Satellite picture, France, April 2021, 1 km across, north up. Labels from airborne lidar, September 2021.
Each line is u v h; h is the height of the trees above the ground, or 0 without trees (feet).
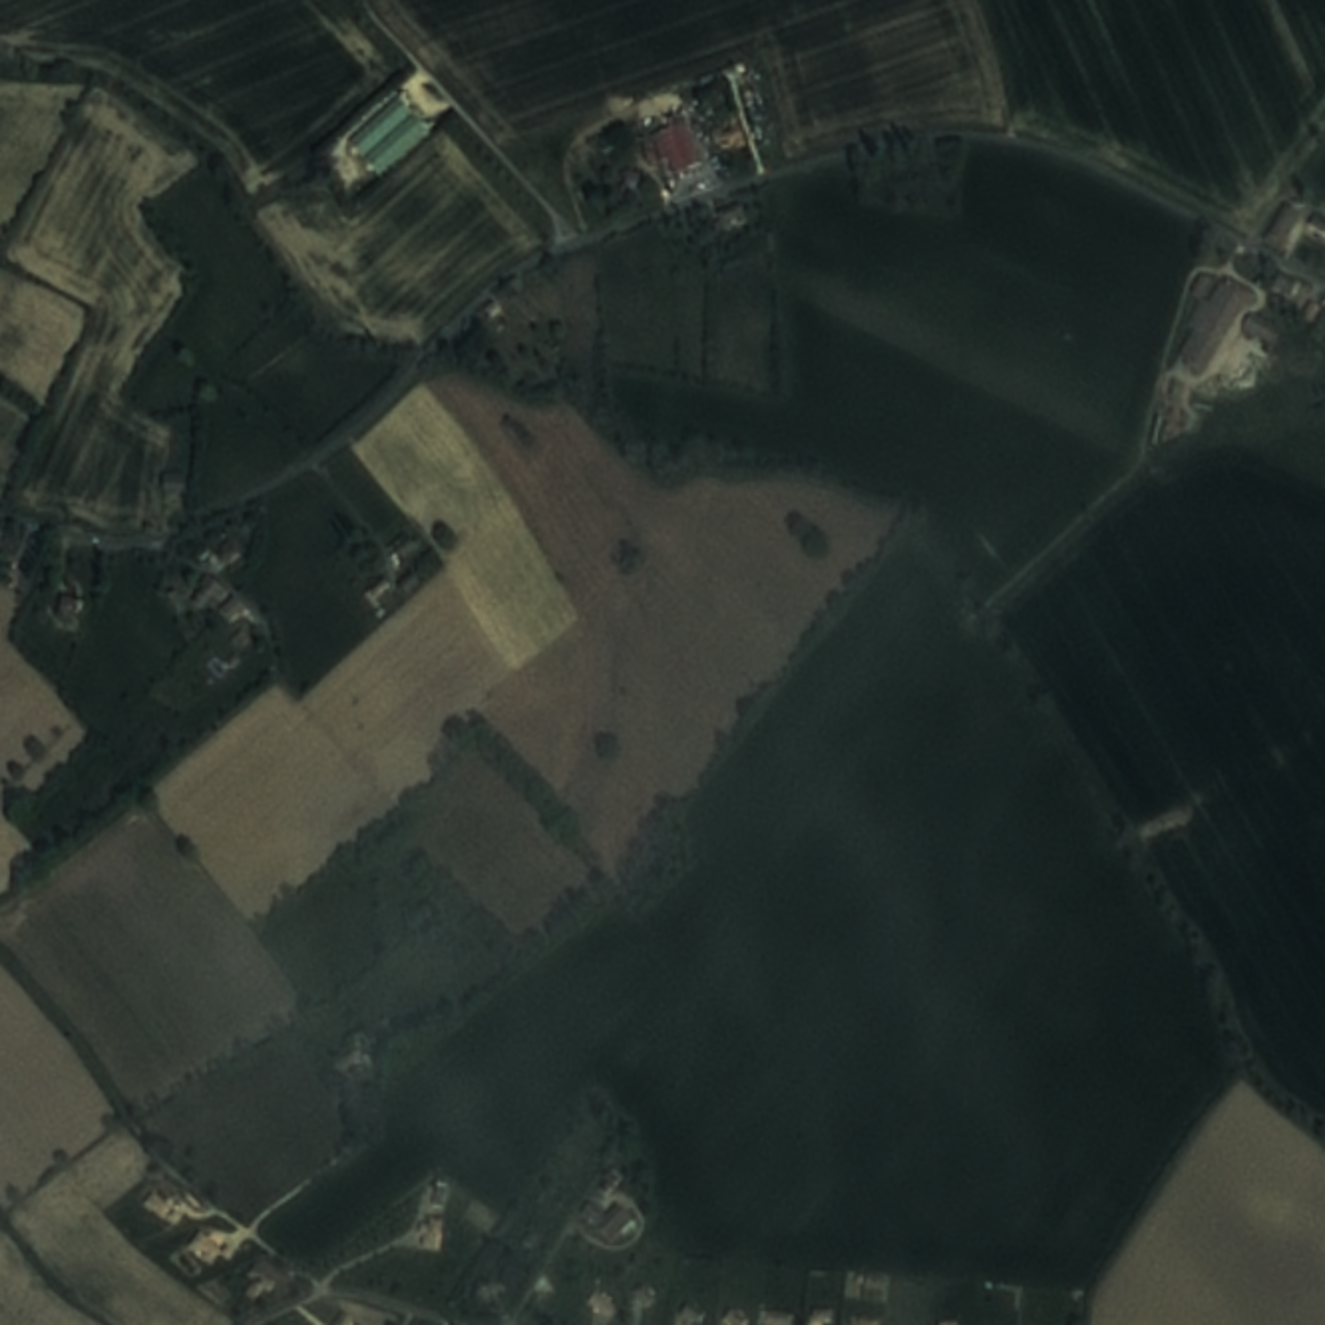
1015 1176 0
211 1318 0
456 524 0
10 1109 0
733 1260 0
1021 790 0
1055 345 0
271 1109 0
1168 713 0
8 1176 0
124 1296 0
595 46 0
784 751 0
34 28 0
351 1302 0
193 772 0
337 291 0
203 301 0
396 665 0
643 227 19
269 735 0
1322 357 0
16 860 0
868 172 52
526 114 0
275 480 0
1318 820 0
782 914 0
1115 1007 0
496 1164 0
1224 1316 0
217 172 49
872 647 0
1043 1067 0
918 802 0
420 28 0
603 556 0
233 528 27
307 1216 0
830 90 0
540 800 68
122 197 0
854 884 0
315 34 0
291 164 0
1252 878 0
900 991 0
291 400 0
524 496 0
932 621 0
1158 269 0
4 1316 0
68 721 0
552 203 0
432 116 0
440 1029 55
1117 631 0
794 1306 0
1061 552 0
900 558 0
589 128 0
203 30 0
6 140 0
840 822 0
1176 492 0
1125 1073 0
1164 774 0
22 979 0
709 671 0
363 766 0
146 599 0
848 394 0
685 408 0
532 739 0
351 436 0
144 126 0
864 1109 0
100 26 0
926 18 0
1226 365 0
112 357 0
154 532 27
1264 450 0
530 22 0
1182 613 0
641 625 0
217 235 0
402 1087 0
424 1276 0
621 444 45
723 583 0
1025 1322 0
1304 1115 30
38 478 0
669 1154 0
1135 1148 0
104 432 0
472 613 0
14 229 21
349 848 20
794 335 0
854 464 0
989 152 0
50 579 45
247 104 0
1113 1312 0
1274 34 0
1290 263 0
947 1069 0
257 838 0
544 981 0
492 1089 0
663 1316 0
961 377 0
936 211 22
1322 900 0
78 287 0
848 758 0
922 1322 0
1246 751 0
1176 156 0
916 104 0
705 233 35
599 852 0
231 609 0
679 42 0
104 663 0
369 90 0
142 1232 0
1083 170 0
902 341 0
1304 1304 0
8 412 0
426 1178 0
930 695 0
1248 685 0
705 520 0
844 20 0
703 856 0
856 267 0
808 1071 0
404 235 0
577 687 0
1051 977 0
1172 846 0
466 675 0
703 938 0
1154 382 0
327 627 0
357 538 70
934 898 0
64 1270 0
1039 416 0
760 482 0
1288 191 0
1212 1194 0
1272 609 0
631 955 0
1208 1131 0
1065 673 0
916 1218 0
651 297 0
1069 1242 0
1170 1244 0
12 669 0
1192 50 0
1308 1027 0
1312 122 0
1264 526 0
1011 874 0
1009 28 0
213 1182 0
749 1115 0
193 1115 0
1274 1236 0
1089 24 0
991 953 0
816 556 50
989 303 0
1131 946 0
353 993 20
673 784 0
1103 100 0
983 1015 0
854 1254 0
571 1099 0
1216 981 49
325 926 0
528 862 0
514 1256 41
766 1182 0
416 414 0
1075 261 0
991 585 0
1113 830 0
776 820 0
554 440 0
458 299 0
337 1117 0
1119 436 0
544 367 36
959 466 0
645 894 70
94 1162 0
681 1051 0
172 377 0
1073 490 0
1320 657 0
